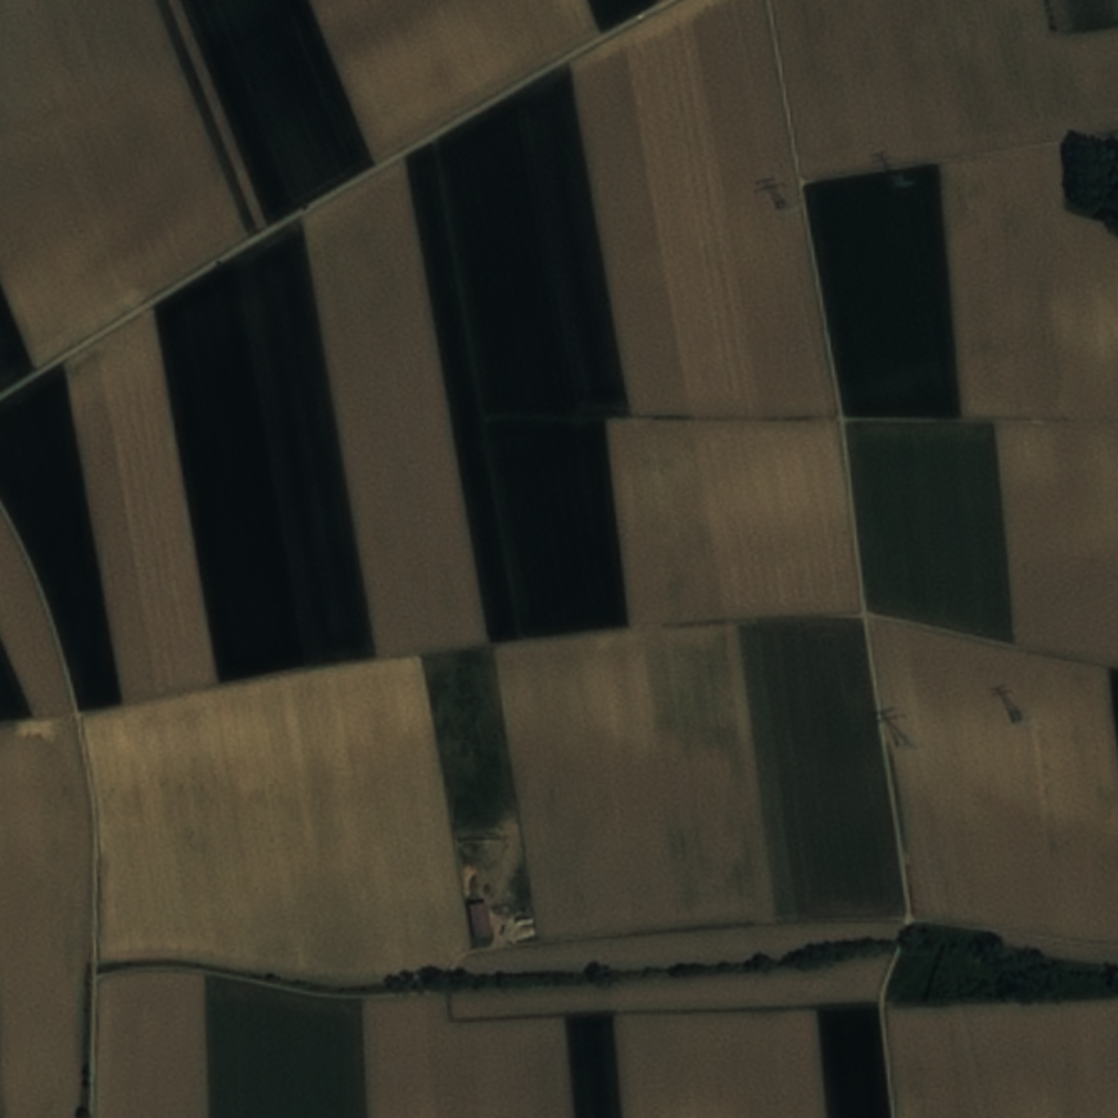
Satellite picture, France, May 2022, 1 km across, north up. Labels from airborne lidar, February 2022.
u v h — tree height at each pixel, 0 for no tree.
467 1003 0
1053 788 0
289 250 0
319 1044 0
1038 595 0
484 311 0
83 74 0
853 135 0
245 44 0
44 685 0
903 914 0
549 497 0
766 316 0
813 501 0
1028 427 0
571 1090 0
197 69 0
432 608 0
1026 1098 0
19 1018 0
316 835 0
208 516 0
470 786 0
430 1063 0
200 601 0
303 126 0
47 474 0
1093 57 0
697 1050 0
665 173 0
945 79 0
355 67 0
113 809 0
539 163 0
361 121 0
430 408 0
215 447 0
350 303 0
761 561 0
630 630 0
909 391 0
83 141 0
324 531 0
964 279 0
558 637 0
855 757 0
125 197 0
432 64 0
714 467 0
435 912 0
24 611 0
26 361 0
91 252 0
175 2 0
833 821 0
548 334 0
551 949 0
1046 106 0
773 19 0
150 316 0
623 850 0
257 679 0
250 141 0
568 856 0
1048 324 0
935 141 0
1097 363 0
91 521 0
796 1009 0
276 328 0
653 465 0
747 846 0
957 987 0
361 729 0
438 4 0
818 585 0
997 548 0
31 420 0
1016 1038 0
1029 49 0
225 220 0
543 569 0
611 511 0
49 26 0
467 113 0
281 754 0
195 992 0
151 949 0
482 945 0
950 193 0
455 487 0
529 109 0
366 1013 0
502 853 0
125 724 0
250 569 0
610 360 0
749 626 0
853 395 0
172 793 0
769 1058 0
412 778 0
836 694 0
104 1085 0
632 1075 0
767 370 0
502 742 0
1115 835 0
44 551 0
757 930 0
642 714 0
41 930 0
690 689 0
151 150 0
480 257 0
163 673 0
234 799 0
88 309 0
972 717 0
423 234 0
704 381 0
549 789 0
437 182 0
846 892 0
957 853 0
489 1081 0
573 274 0
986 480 0
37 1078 0
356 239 0
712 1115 0
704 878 0
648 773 0
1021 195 0
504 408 0
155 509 0
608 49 0
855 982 0
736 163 0
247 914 0
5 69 0
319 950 0
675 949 0
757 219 0
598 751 0
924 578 0
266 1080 0
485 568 0
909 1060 0
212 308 0
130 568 0
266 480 0
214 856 0
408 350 0
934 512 0
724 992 0
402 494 0
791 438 0
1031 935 0
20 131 0
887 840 0
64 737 0
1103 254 0
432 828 0
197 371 0
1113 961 0
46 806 0
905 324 0
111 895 0
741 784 0
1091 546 0
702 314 0
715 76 0
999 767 0
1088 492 0
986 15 0
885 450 0
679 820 0
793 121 0
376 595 0
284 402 0
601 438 0
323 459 0
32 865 0
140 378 0
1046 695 0
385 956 0
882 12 0
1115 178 20
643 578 0
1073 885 0
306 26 0
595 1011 0
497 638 0
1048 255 0
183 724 0
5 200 0
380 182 0
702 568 0
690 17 0
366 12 0
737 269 0
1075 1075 0
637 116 0
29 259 0
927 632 0
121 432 0
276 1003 0
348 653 0
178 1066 0
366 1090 0
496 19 0
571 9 0
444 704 0
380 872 0
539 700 0
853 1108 0
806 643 0
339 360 0
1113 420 0
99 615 0
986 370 0
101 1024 0
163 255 0
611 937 0
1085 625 0
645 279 0
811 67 0
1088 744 0
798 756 0
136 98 0
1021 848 0
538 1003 0
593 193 0
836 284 0
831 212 0
